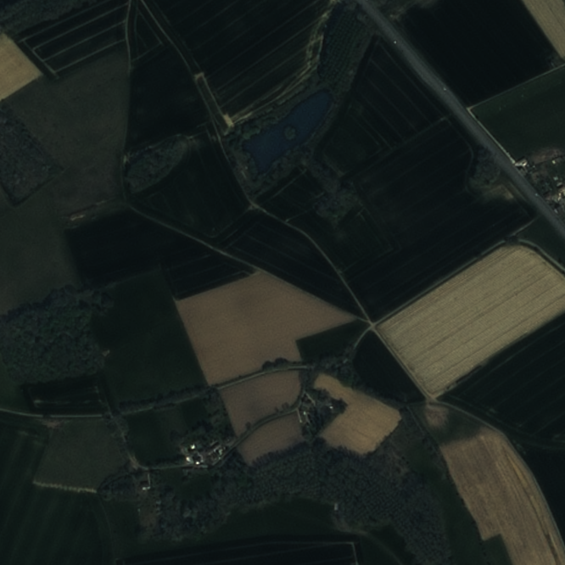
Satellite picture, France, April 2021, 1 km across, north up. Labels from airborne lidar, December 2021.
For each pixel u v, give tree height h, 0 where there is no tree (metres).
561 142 0
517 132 0
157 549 0
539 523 0
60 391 0
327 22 0
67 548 0
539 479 0
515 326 0
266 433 0
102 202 0
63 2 21
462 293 0
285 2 0
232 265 0
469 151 0
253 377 0
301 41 0
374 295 0
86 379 0
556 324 0
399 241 0
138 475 17
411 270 0
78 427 0
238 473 17
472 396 0
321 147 0
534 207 0
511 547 0
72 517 0
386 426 0
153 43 0
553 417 0
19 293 0
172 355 0
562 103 0
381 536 0
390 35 0
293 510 0
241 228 0
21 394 0
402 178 0
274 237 0
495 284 0
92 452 0
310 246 0
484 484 0
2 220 0
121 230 0
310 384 10
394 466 11
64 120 0
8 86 0
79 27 0
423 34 0
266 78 0
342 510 21
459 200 0
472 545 0
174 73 0
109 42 0
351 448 0
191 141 0
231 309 0
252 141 0
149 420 0
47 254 0
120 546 0
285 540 0
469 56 0
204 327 0
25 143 12
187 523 23
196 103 0
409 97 0
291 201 0
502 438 0
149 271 0
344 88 20
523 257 0
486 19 0
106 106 0
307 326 0
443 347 0
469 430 0
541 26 0
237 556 0
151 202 0
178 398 17
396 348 0
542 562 0
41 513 0
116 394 0
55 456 0
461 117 0
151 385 0
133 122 0
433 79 0
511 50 0
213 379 0
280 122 0
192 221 0
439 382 0
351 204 18
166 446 0
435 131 0
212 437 15
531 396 0
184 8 0
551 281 0
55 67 0
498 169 33
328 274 0
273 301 0
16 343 19
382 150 0
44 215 0
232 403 0
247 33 0
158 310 0
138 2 0
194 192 0
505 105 0
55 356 22
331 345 0
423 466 0
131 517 0
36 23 10
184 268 0
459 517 0
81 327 19
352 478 40
